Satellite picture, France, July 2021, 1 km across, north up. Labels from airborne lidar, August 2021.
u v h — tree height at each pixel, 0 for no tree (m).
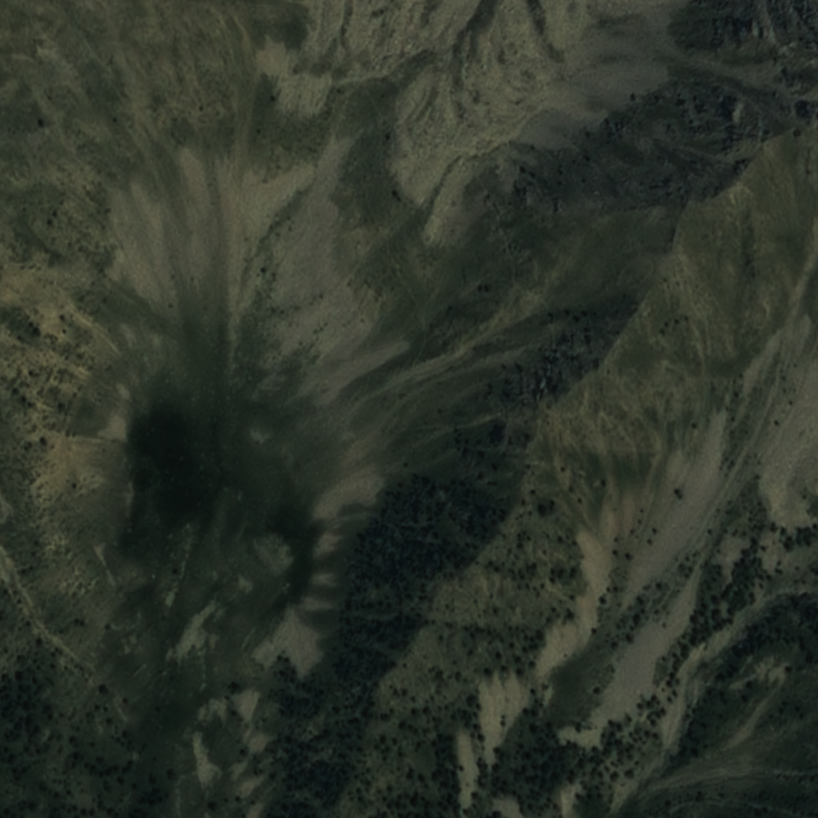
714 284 0
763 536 0
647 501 0
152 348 0
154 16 0
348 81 0
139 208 0
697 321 0
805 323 0
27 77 0
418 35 0
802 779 0
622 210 0
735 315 0
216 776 0
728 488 0
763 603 0
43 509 0
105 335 0
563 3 0
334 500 0
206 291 0
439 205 0
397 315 0
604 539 0
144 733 0
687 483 0
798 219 0
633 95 0
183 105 0
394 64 0
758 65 0
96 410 0
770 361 0
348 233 0
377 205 0
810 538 9
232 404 0
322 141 0
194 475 0
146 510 0
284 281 0
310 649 0
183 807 0
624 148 0
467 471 0
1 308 0
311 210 0
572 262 0
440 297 0
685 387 0
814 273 0
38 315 0
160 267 0
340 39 0
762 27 0
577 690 0
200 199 0
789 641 15
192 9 0
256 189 0
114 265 0
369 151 0
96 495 0
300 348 0
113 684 0
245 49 0
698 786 0
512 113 0
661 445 0
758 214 0
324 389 0
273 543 0
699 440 0
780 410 0
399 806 16
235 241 0
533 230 0
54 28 0
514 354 0
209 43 0
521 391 0
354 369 0
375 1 0
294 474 0
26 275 0
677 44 0
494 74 0
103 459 0
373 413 0
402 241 0
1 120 0
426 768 0
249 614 0
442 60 0
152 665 0
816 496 0
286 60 0
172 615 0
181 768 0
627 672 0
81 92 0
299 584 0
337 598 0
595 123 0
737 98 0
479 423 0
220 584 0
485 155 0
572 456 0
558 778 17
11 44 0
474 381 0
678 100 0
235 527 0
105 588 0
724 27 0
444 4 0
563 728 0
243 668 0
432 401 0
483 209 0
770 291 0
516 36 0
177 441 0
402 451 0
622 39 0
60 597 0
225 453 0
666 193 0
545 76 0
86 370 0
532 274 0
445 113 0
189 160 0
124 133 0
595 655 0
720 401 0
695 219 0
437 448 0
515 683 0
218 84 0
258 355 0
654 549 0
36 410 0
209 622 0
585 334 0
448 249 0
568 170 0
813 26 0
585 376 0
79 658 0
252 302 0
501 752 10
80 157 0
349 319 0
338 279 0
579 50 0
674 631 0
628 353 0
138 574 0
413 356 0
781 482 0
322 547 0
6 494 0
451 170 0
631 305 0
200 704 0
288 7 0
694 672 0
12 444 0
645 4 0
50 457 0
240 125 0
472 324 0
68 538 0
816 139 0
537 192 0
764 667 0
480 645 0
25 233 0
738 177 0
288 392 0
